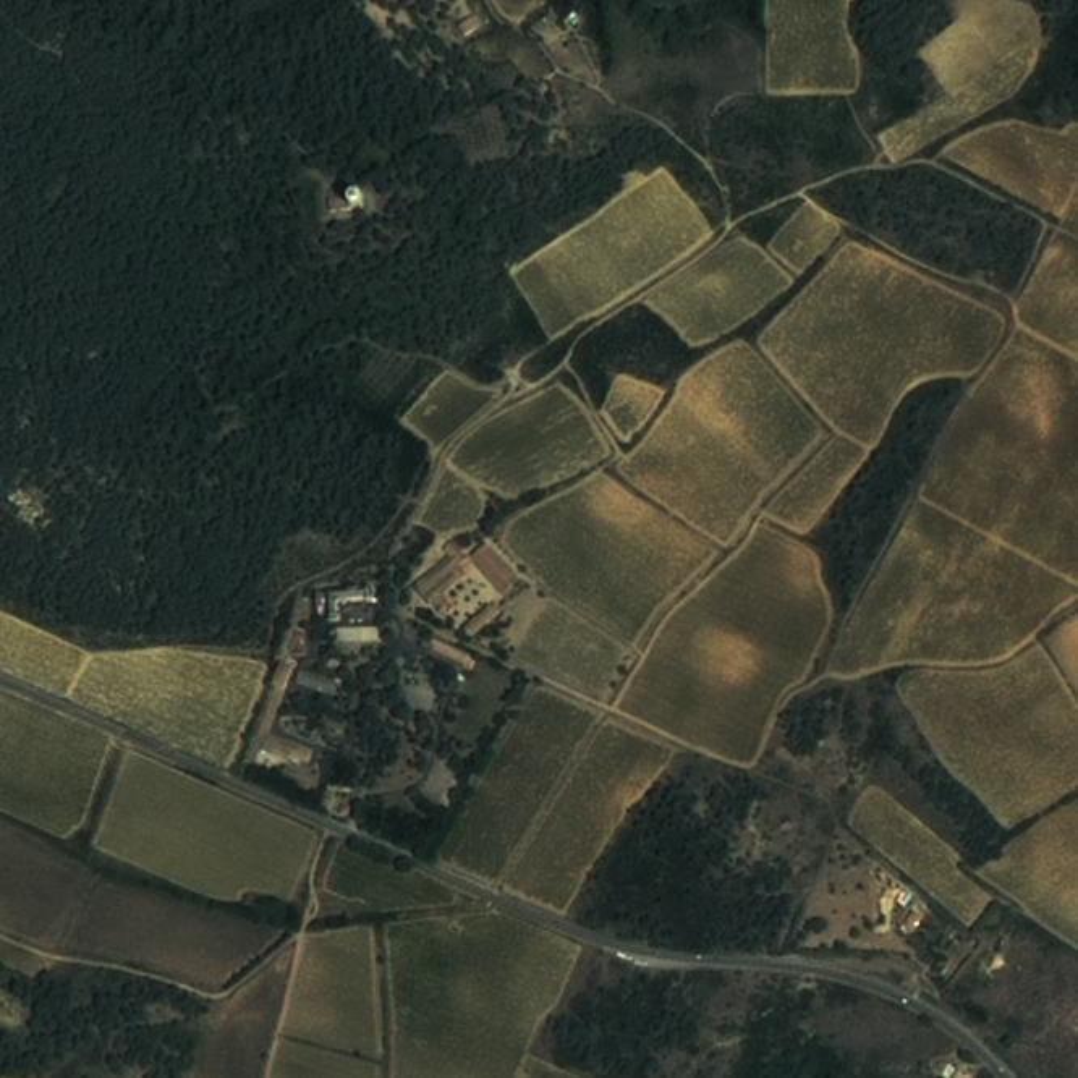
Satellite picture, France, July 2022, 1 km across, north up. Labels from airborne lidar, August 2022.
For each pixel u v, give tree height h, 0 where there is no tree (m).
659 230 0
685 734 0
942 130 0
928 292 0
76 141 12
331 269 14
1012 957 0
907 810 0
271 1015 0
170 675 0
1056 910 0
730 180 6
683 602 0
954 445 0
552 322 0
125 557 10
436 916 0
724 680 0
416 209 19
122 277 14
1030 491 0
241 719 0
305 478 18
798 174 0
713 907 0
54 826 0
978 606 0
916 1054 0
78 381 10
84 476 10
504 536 0
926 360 0
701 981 0
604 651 0
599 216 0
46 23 8
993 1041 8
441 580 0
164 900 0
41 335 13
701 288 0
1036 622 0
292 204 15
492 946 0
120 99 7
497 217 13
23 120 14
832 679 0
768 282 0
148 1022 12
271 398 8
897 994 0
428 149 15
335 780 7
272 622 14
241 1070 0
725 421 0
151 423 14
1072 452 0
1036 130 0
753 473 0
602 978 0
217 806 0
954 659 0
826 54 0
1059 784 0
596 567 0
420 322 16
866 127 0
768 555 0
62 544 7
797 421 0
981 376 0
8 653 0
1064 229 0
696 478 0
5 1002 0
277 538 12
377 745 18
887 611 0
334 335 7
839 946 11
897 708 0
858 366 0
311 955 0
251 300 12
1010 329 0
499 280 9
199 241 12
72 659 0
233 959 0
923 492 0
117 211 13
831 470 0
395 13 9
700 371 0
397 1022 0
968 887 0
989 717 0
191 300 13
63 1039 13
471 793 13
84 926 0
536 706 0
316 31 15
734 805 8
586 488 0
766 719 0
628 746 0
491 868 0
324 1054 0
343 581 6
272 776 10
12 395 10
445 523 0
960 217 8
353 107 14
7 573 11
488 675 0
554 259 0
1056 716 0
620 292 0
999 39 0
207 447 17
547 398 0
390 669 10
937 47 0
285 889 0
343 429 18
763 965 0
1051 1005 0
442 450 0
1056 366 0
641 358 7
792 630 0
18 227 14
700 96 0
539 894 0
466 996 0
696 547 0
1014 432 0
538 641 0
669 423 0
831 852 0
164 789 0
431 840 16
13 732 0
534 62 0
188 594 10
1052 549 0
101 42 13
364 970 0
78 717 0
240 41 15
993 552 0
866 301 0
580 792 0
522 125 11
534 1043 0
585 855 0
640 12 12
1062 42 7
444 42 20
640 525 0
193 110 12
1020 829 6
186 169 14
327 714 23
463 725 0
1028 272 0
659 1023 11
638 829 11
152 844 0
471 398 0
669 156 10
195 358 12
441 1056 0
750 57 0
